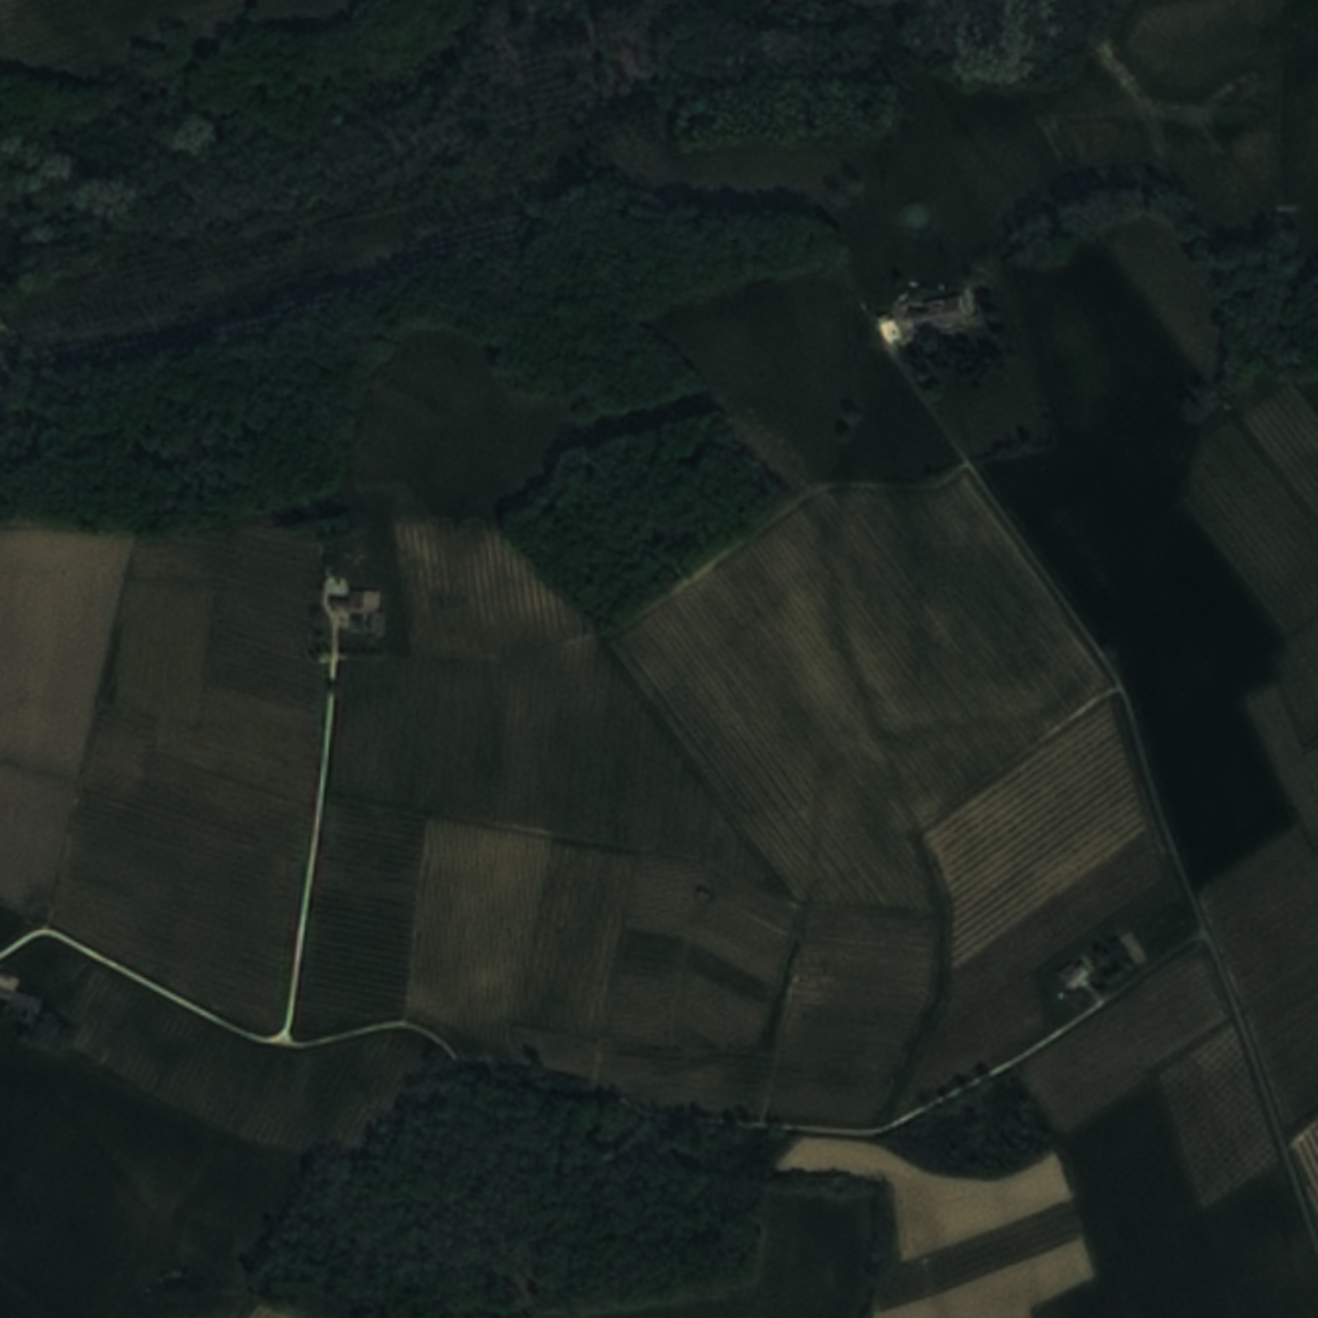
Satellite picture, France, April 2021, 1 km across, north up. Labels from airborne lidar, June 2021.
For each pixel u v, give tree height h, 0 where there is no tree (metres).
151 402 25
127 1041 0
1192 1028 0
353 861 0
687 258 24
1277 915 0
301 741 0
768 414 0
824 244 22
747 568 0
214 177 27
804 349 0
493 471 0
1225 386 16
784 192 0
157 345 7
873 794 0
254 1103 0
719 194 0
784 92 26
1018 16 34
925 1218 0
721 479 24
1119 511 0
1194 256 13
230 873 0
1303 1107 0
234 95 25
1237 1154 0
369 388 19
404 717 0
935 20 25
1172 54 0
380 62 25
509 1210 18
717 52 23
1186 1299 0
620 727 0
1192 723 0
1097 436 0
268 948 0
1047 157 0
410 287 19
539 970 0
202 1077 0
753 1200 20
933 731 0
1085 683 0
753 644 0
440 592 0
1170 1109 0
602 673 0
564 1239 17
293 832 0
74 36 0
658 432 26
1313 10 0
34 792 0
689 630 0
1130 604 0
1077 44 17
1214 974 0
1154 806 0
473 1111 21
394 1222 21
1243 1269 0
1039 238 17
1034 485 0
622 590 18
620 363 23
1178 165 0
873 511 0
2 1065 0
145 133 16
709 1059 0
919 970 0
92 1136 0
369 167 24
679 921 0
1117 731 0
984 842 0
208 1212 0
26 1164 0
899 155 0
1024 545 0
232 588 0
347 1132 0
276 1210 0
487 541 0
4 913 0
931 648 0
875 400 0
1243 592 0
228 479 18
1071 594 0
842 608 0
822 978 0
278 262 18
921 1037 0
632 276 21
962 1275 0
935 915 0
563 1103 18
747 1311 0
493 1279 18
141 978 0
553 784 0
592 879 0
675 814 0
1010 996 0
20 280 19
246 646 0
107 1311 0
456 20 24
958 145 0
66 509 20
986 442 0
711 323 0
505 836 0
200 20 0
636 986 0
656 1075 0
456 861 0
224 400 26
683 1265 21
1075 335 0
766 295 0
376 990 0
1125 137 0
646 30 37
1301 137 0
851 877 0
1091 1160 0
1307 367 18
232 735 0
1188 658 0
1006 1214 0
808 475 0
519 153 18
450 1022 0
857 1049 0
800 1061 0
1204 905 0
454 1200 22
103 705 0
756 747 0
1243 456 0
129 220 14
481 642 0
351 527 11
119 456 25
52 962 0
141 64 12
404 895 0
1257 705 0
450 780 0
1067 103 0
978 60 32
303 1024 0
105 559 0
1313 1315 0
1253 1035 0
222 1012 0
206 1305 0
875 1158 0
